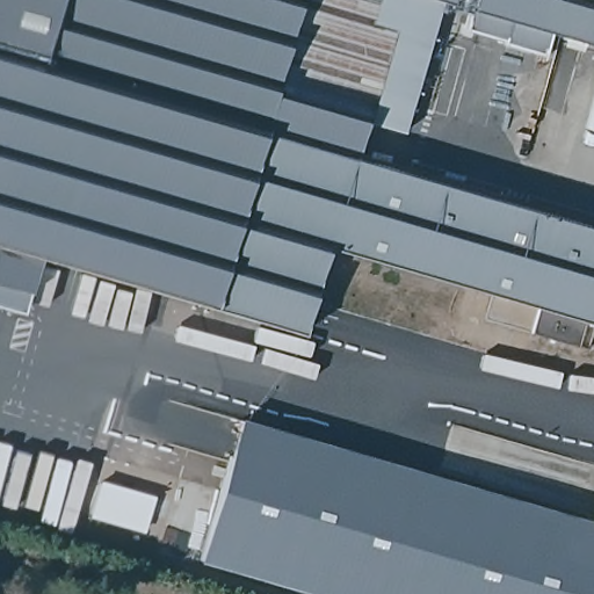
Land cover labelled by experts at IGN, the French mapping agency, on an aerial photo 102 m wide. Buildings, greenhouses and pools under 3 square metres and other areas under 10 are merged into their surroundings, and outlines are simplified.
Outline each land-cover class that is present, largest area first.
<instances>
[{"label":"building","instance_id":"1","mask_svg":"<svg viewBox=\"0 0 594 594\"><path fill-rule=\"evenodd\" d=\"M450 0H0V311L16 313V309H26V304L35 295H44V285L53 276V271L46 269V262H53L65 265L70 274L77 271L81 278H93L95 274H102L107 281L116 278L118 283H130L137 290H149L151 297L160 295L162 302L188 299L195 304H207L211 309L232 304L237 311L262 316L271 323H281L295 329L313 332V320L318 313L320 297L325 295L323 285L332 269V262L334 258L339 260L346 255L343 244L353 248V253H369L385 262L411 267V271H418L420 276L450 285H464L469 290L541 309V320L536 329L538 336L573 343L578 348L594 346V227L387 169L392 165V155L376 153L367 146L371 130L385 128L392 132L408 135L411 118L415 114L425 74L432 60V51L439 37L441 19ZM466 16L483 14L513 26L550 32L555 35V39H578L594 46V0H464ZM255 413L248 411L244 420L232 418L234 452L227 459V466H213V476L220 478V487L211 492L209 510L204 513L207 527L195 552L204 566L253 578L299 594H594V520L573 517V513L582 501H587L592 490H582L568 483L501 466L494 462L457 455L446 448L432 450V457L439 466L434 473H425L404 464L385 462L332 443L258 425L253 422ZM165 497H153L104 483L97 485L93 499V520L139 534L149 531L151 520L160 522Z\"/></svg>","mask_w":594,"mask_h":594},{"label":"impervious surface","instance_id":"2","mask_svg":"<svg viewBox=\"0 0 594 594\"><path fill-rule=\"evenodd\" d=\"M367 146L376 153L392 155V165L387 169L594 227V46L578 39H555V35L550 32L513 26L483 14L466 16L464 0H450L441 19L439 37L432 51V60L425 74L415 114L411 118L408 135L392 132L385 128L371 130ZM46 269L53 271V276L44 285V295H35L26 304V309H16V313L0 311V527H28V531L35 536L58 538L60 548H70L74 543L97 545V550H116L135 559L160 557L169 562L167 571L188 573L193 580H213L220 587H241L244 592L255 594H299L253 578L204 566L195 552L207 527L204 513L209 510L211 492L220 487V478L213 476V466H227V459L234 452L232 418L244 420L248 411L255 413L253 422L258 425L332 443L385 462L404 464L425 473H434L439 466L432 457V450L446 448L457 455L494 462L501 466L568 483L582 490H592L587 501H582L573 513V517L594 520V378L564 376L552 369L490 355L492 346H513L527 350L538 336L536 329L541 320V309L469 290L459 302V325L457 334L452 336L457 343H446L439 339L355 318L343 313L341 309H336L327 318L318 313L313 320V332L295 329L281 323H271L262 316L237 311L232 304L211 309L207 304H195L188 299L162 302L160 295L151 297L149 290H137L130 283H118L116 278L107 281L102 274H95L93 278H81L77 271L70 274L65 265L53 262H46ZM104 483L153 497H165L160 522L151 520L149 531L139 534L93 520V499L97 485Z\"/></svg>","mask_w":594,"mask_h":594},{"label":"herbaceous vegetation","instance_id":"3","mask_svg":"<svg viewBox=\"0 0 594 594\"><path fill-rule=\"evenodd\" d=\"M346 255L339 260L334 258L332 262V269L323 285L325 295L320 297L318 313L327 318L336 309H341L343 313L355 318L439 339L446 343H457L452 336L457 334L459 325V302L469 290L464 285H450L420 276L418 271H411V267L385 262L369 253H353V248L343 244ZM490 355L552 369L564 376L594 378V346L578 348L573 343L538 336L527 350L513 346H492ZM169 562L160 557L135 559L132 571H109L100 568L97 564H67L63 559L42 557L32 562V566H28L21 555L0 550V594H42L56 580L93 585L100 582L102 573L107 575V587L111 592L137 589V594H190L179 592L172 582H158V575L167 571Z\"/></svg>","mask_w":594,"mask_h":594},{"label":"deciduous trees","instance_id":"4","mask_svg":"<svg viewBox=\"0 0 594 594\"><path fill-rule=\"evenodd\" d=\"M0 550L21 555L28 566H32V562L42 557L63 559L67 564H97L100 568L109 571H132L135 559L116 550H97V545L74 543L70 548H60L58 538L35 536L28 531V527H0ZM158 582H172L179 592L190 594H255L244 592L241 587H220L213 580H193L188 573L167 571L158 575ZM107 575L102 573L100 582L93 585L56 580L42 594H137V589L111 592L107 587Z\"/></svg>","mask_w":594,"mask_h":594}]
</instances>
